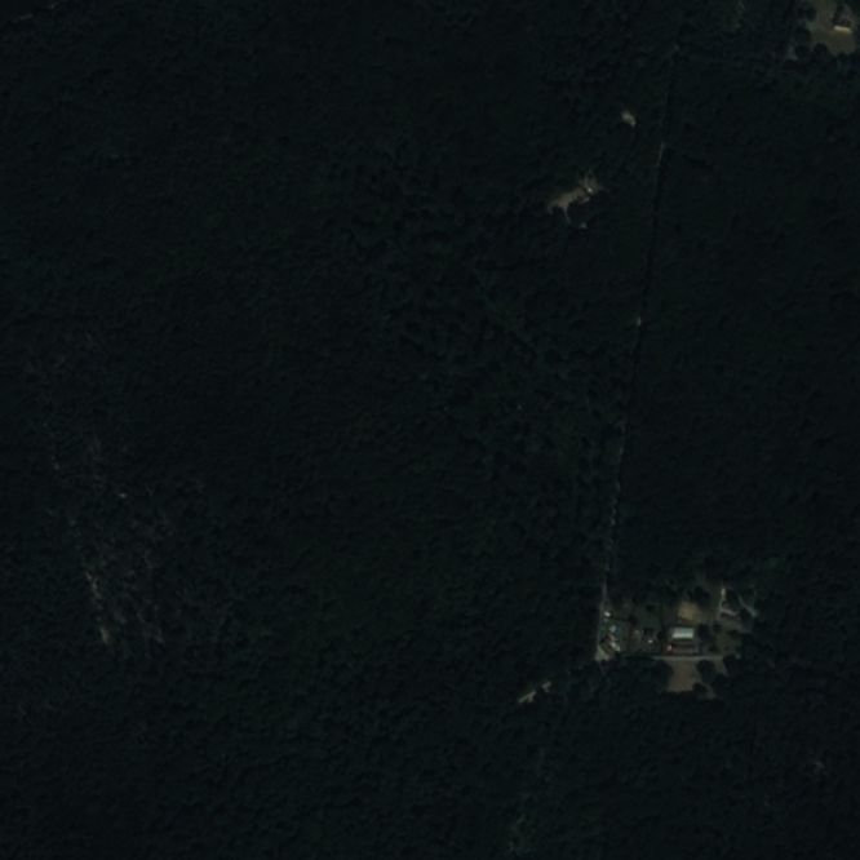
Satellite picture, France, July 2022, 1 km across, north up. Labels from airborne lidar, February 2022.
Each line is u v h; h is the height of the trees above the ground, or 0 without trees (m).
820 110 22
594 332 19
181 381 17
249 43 25
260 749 26
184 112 20
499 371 24
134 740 24
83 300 20
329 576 21
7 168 21
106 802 13
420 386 25
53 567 24
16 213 19
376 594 26
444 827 22
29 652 25
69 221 22
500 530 25
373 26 26
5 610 23
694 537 19
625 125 17
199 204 22
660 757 20
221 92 16
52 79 19
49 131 20
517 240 25
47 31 14
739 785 21
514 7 27
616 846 22
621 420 6
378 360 22
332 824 25
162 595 24
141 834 16
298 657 14
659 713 19
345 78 27
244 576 25
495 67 27
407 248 22
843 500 22
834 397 25
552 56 26
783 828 24
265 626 25
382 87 26
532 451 24
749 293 25
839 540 24
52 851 13
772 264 23
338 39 24
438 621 16
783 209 21
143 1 17
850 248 21
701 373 22
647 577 19
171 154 24
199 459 21
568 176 18
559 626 11
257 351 20
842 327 24
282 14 24
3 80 22
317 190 26
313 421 25
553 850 14
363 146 26
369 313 21
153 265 21
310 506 26
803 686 15
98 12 15
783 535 21
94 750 15
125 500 21
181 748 21
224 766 14
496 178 24
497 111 26
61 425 18
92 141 23
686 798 18
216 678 24
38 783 22
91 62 22
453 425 26
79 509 22
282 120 24
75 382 15
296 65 25
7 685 23
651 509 22
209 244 20
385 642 19
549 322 26
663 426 23
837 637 23
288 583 11
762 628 18
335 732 24
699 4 14
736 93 22
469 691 18
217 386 22
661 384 22
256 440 22
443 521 26
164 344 15
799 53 13
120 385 21
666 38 22
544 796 15
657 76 19
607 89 29
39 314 18
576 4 25
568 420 25
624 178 21
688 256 25
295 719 21
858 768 18
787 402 24
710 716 24
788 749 19
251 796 16
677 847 23
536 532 6
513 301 24
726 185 21
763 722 22
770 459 22
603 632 0
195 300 21
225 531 26
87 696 19
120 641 23
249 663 21
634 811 15
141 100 23
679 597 18
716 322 21
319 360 23
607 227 24
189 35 22
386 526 25
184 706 26
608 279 28
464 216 22
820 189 22
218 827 22
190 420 19
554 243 22
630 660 8
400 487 24
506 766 22
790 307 25
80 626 24
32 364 17
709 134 20
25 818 18
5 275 18
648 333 19
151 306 18
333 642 13
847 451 27
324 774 24
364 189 28
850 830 21
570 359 20
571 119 25
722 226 23
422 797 24
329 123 27
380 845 28
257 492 15
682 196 22
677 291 22
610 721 20
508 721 22
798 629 20
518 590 22
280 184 27
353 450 24
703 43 17
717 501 20
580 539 25
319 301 25
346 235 22
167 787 22
